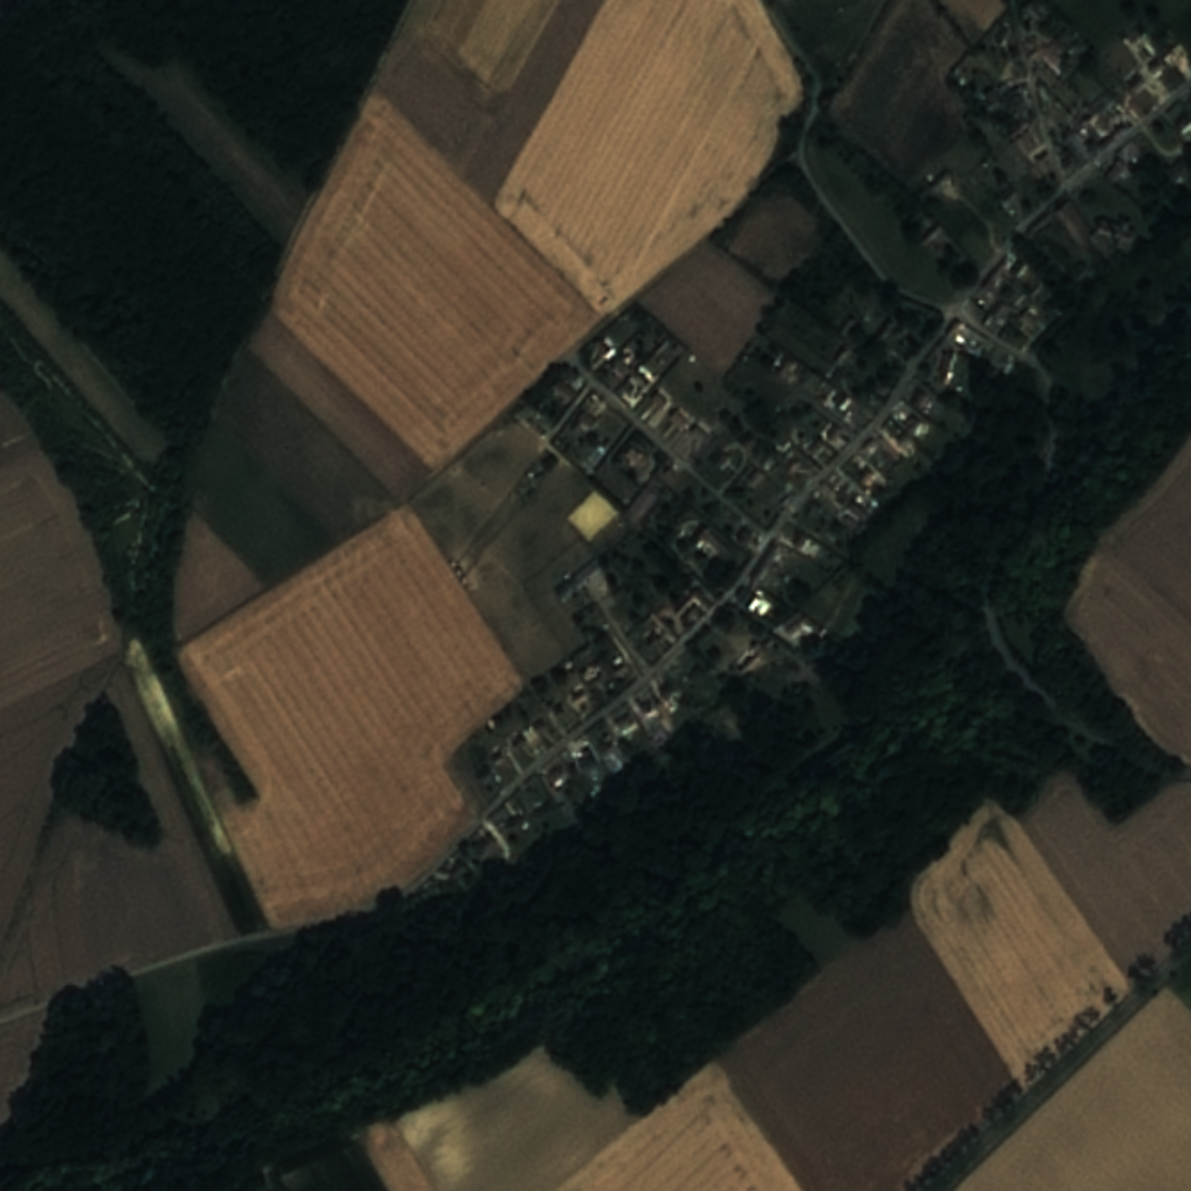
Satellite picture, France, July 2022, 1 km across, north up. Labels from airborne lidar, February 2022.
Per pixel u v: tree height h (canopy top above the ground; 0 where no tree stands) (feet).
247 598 0
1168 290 0
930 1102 0
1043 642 42
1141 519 0
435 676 0
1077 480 73
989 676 50
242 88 74
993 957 0
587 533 0
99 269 74
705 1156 0
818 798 71
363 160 0
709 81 0
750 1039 0
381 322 0
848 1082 0
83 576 0
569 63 0
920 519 0
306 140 79
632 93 0
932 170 0
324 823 0
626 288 0
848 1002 0
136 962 0
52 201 74
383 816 0
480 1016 64
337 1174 0
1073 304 42
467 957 49
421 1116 0
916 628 89
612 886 59
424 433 0
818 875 72
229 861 0
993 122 29
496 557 0
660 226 0
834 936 0
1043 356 26
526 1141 0
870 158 24
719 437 0
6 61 76
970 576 51
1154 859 0
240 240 53
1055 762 43
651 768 63
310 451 0
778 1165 0
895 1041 0
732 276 0
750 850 67
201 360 74
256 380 0
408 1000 102
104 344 61
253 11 77
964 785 65
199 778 0
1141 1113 0
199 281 78
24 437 0
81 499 18
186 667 0
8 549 0
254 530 0
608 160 0
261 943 0
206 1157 80
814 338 0
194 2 84
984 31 0
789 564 0
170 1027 0
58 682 0
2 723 0
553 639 0
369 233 0
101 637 0
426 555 0
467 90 0
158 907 0
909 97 0
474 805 0
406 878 0
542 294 0
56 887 0
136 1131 66
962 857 0
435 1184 0
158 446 0
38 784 0
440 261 0
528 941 90
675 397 0
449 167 0
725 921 63
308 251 0
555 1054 46
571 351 0
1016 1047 0
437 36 0
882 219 0
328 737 0
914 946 0
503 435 0
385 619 0
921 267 0
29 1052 0
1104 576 0
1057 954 0
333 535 0
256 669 0
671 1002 67
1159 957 0
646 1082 72
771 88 0
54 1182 53
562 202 0
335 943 42
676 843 46
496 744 0
